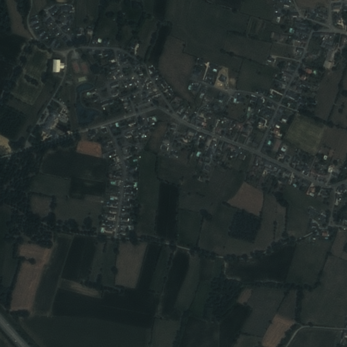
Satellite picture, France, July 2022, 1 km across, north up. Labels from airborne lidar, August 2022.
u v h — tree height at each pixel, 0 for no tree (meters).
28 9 13
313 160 0
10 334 0
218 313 16
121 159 0
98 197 0
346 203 7
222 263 0
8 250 0
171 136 0
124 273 0
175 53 0
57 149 20
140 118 13
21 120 7
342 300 0
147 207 0
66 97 0
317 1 0
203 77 0
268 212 0
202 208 0
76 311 0
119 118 0
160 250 7
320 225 0
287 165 0
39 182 0
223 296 10
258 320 0
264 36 0
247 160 0
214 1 0
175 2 0
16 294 0
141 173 0
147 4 0
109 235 0
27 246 0
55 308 0
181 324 10
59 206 0
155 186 0
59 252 0
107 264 0
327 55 0
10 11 0
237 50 0
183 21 0
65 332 0
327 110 0
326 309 0
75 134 13
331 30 0
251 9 0
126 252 0
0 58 11
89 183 0
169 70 0
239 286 10
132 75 0
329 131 0
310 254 0
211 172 0
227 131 10
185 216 0
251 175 7
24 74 0
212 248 0
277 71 0
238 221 16
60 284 0
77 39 19
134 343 0
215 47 0
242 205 0
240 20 0
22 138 15
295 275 0
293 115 6
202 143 9
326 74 0
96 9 0
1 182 17
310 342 0
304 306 0
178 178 0
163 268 0
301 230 0
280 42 0
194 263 0
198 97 0
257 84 0
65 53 0
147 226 0
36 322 0
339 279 0
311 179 0
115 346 0
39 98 0
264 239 0
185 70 0
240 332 7
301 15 0
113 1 13
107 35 0
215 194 0
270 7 0
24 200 13
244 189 0
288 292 11
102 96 0
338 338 0
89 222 17
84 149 0
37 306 0
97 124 0
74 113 0
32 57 0
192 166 0
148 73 0
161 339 0
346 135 0
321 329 0
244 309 0
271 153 16
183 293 0
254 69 0
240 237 13
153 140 0
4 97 16
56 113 0
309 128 0
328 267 0
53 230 11
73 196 0
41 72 0
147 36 0
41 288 0
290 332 11
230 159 7
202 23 0
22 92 0
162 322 0
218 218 0
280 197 16
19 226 9
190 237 0
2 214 0
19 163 9
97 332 0
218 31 0
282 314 0
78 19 0
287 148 0
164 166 0
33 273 0
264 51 0
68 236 0
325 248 0
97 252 0
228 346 0
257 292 0
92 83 0
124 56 6
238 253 0
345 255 0
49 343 0
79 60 0
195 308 0
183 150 9
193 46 0
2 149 0
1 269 0
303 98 13
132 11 0
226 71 0
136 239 20
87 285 16
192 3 0
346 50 8
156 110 0
